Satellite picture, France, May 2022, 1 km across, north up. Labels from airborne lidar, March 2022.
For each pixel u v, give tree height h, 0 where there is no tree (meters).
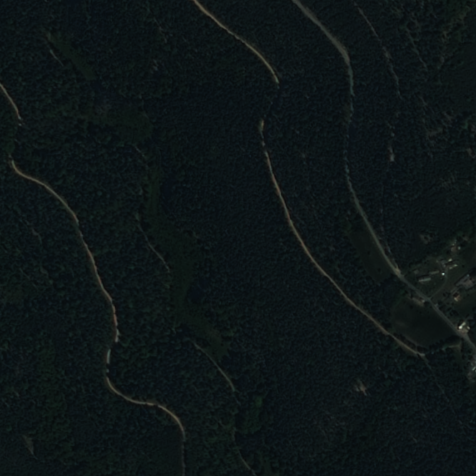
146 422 8
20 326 17
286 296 22
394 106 25
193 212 28
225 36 20
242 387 29
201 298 28
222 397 31
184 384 27
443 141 11
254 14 24
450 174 6
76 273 25
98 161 39
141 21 19
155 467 14
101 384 12
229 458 8
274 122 23
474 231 14
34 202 28
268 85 25
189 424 10
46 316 13
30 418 25
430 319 0
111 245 27
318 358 23
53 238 25
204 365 34
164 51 29
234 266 29
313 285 25
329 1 21
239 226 25
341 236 26
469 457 25
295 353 25
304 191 28
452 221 13
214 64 27
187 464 17
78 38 32
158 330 32
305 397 26
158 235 6
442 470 25
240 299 27
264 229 26
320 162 22
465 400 15
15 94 27
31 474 16
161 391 32
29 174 8
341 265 25
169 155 30
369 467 26
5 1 28
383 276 0
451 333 0
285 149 22
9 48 22
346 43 20
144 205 28
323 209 29
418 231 10
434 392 24
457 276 0
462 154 7
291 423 24
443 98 11
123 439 27
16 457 16
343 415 16
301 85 27
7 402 27
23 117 24
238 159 26
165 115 29
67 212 24
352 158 26
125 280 34
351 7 23
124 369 29
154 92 37
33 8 32
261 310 23
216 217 28
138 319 21
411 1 29
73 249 26
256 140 27
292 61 24
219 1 22
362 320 25
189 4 22
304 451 24
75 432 19
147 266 29
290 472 32
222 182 26
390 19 22
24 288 13
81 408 16
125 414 12
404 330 0
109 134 10
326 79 29
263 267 23
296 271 24
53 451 25
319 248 19
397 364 30
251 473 9
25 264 26
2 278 7
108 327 7
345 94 27
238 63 22
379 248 0
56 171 31
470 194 8
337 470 27
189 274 0
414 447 24
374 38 24
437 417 25
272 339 22
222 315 23
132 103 39
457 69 9
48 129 28
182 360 36
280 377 30
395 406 24
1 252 10
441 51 29
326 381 25
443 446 25
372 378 23
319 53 23
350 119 0
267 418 29
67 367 15
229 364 31
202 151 25
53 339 18
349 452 32
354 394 28
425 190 12
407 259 11
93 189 31
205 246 25
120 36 25
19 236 8
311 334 22
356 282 22
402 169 9
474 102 12
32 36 25
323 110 26
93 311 7
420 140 26
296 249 25
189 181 22
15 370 29
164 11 22
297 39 24
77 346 31
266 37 21
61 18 31
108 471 23
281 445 24
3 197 25
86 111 27
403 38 19
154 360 39
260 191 23
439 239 12
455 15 28
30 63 33
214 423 13
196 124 26
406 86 24
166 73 25
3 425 19
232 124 27
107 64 36
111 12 26
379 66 25
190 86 30
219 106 24
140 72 32
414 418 17
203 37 25
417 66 19
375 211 22
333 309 22
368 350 22
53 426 25
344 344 24
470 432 25
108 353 0
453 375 13
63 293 28
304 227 23
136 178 29
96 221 30
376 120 25
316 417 21
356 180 22
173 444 17
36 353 20
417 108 23
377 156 19
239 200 26
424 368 6
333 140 24
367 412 26
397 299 18
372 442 27
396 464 27
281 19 24
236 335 15
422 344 0
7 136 16
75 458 30
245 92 31
